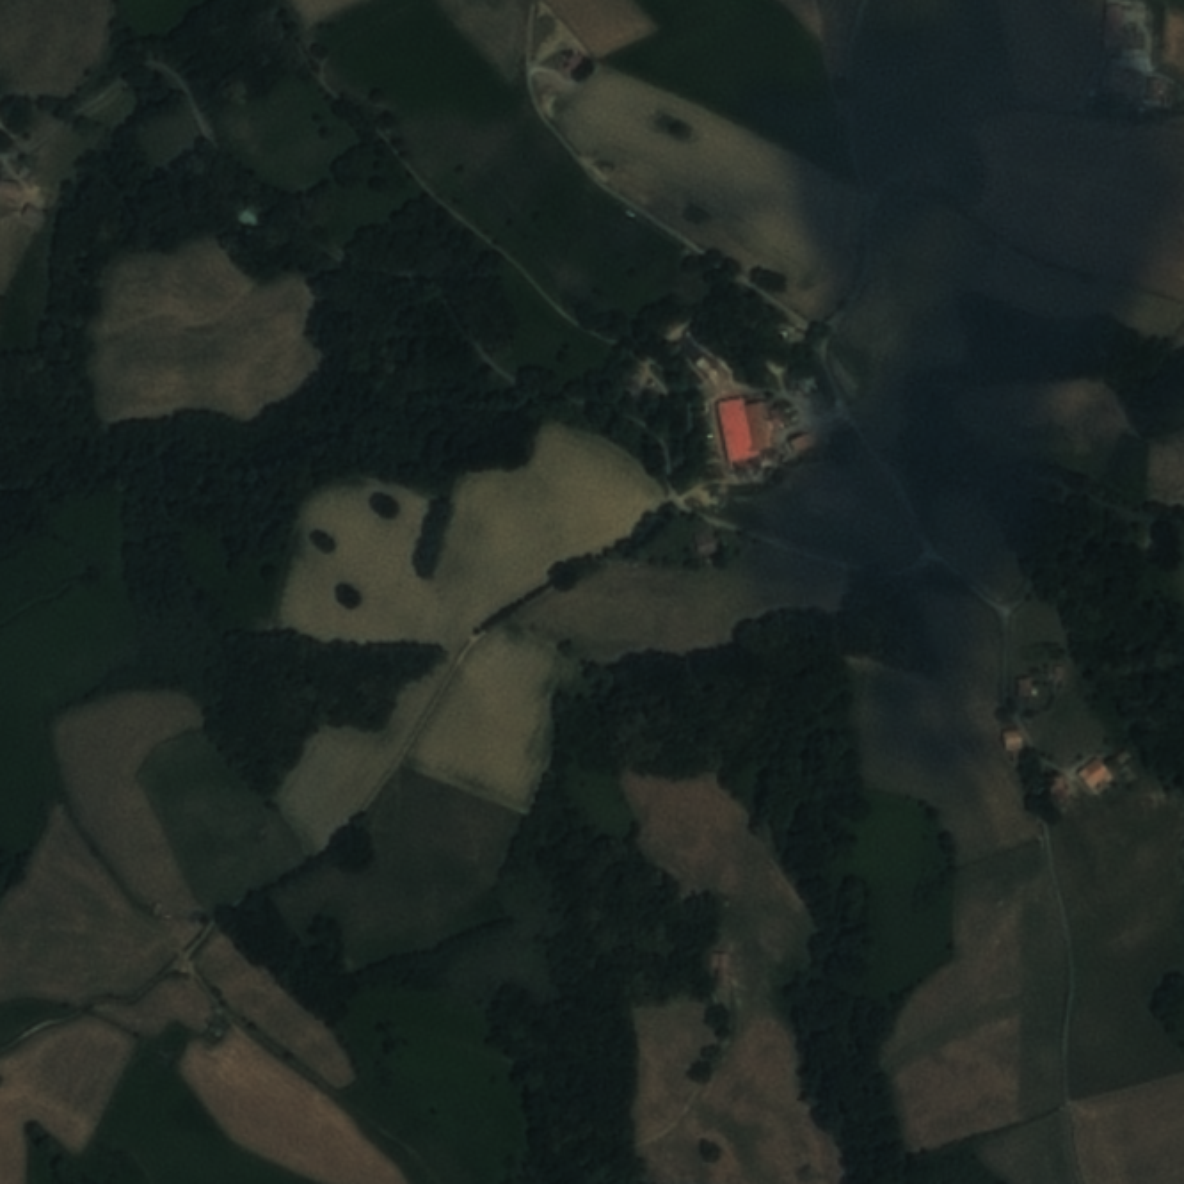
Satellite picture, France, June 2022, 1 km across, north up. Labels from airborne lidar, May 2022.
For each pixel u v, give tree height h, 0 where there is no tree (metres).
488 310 15
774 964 0
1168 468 0
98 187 26
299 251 22
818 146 0
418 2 0
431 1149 0
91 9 0
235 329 0
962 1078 0
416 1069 0
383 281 14
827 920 19
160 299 0
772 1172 0
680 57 0
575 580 18
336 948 10
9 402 26
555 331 0
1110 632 23
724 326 16
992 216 0
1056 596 20
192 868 0
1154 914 0
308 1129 0
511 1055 14
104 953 0
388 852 0
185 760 0
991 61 0
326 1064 0
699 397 19
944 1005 0
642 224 0
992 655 0
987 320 15
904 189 0
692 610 0
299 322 0
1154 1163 0
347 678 21
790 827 15
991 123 0
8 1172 0
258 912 16
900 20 0
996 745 0
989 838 0
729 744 23
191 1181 0
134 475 17
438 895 0
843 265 0
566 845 14
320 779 0
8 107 14
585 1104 23
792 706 16
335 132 10
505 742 0
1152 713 28
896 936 0
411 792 0
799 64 0
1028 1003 0
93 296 26
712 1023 9
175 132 0
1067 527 26
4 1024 0
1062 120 0
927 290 0
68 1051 0
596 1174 27
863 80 0
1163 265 0
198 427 21
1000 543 0
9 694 0
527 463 15
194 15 11
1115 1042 0
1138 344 14
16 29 0
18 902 0
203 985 0
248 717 16
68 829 0
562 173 0
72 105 10
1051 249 0
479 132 0
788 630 23
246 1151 0
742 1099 0
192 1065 0
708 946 17
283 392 0
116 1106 0
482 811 0
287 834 0
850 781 16
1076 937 0
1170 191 0
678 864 0
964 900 0
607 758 17
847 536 0
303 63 11
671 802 0
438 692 0
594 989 19
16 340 0
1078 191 0
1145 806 0
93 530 0
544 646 0
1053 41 0
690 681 23
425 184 0
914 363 0
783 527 0
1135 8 0
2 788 0
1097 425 0
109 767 0
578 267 0
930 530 17
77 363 20
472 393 7
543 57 0
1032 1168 0
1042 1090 0
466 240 12
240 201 14
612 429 24
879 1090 9
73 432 27
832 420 0
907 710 0
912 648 18
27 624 0
